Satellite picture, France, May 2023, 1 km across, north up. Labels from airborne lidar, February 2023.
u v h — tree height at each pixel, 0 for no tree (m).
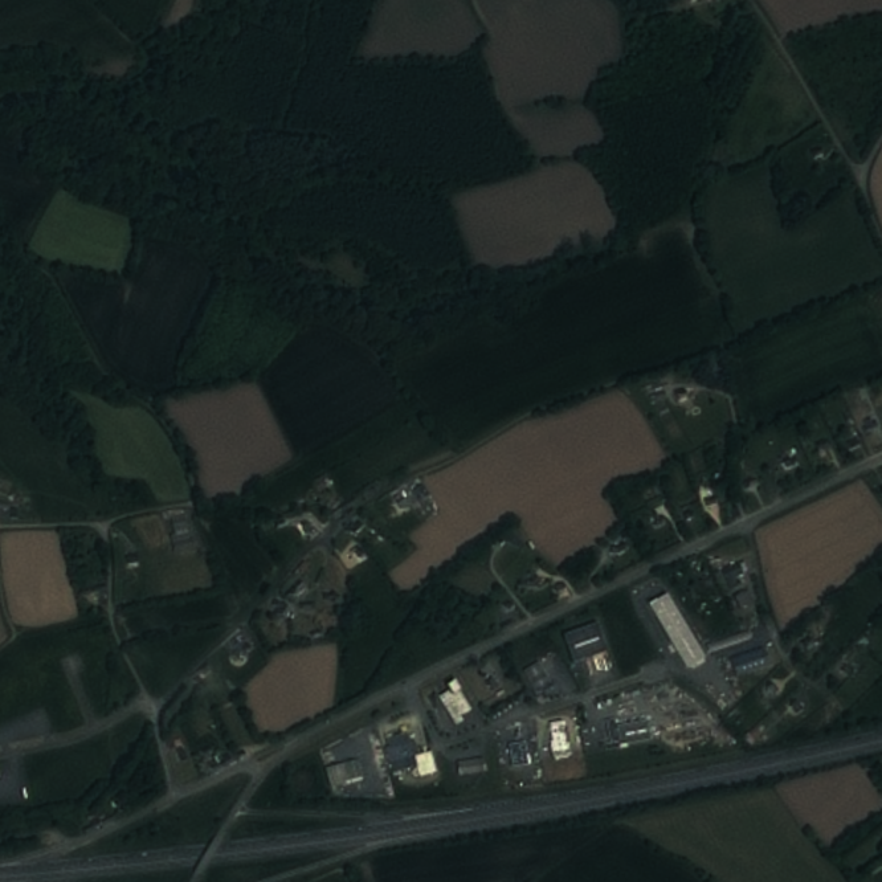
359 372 0
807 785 0
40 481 0
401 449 0
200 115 9
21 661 0
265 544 10
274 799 0
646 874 0
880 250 10
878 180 0
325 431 0
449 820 0
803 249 0
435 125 9
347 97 9
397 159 8
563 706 0
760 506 0
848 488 0
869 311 0
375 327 28
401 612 0
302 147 19
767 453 0
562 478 0
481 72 7
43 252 0
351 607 19
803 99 0
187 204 10
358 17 7
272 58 9
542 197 0
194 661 0
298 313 20
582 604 0
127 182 17
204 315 10
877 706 0
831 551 0
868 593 0
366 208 8
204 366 8
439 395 0
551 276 22
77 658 0
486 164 11
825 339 0
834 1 0
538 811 0
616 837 0
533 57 0
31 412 15
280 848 0
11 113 19
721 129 14
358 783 0
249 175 14
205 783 0
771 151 10
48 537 0
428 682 0
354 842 0
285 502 0
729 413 0
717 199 0
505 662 11
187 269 0
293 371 0
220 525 0
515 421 0
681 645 0
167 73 25
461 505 0
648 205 21
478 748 0
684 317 0
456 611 13
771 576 0
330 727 0
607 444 0
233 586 0
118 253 0
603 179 11
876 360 0
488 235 0
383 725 0
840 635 0
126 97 22
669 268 0
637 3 16
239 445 0
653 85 15
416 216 10
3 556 0
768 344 0
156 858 0
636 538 11
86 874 0
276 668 0
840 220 0
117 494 7
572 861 0
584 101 6
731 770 0
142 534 0
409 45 0
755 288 0
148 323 0
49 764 0
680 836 0
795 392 0
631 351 0
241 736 0
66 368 14
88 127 11
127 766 21
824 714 0
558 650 0
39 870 0
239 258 20
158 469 0
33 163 13
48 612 0
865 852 0
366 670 0
